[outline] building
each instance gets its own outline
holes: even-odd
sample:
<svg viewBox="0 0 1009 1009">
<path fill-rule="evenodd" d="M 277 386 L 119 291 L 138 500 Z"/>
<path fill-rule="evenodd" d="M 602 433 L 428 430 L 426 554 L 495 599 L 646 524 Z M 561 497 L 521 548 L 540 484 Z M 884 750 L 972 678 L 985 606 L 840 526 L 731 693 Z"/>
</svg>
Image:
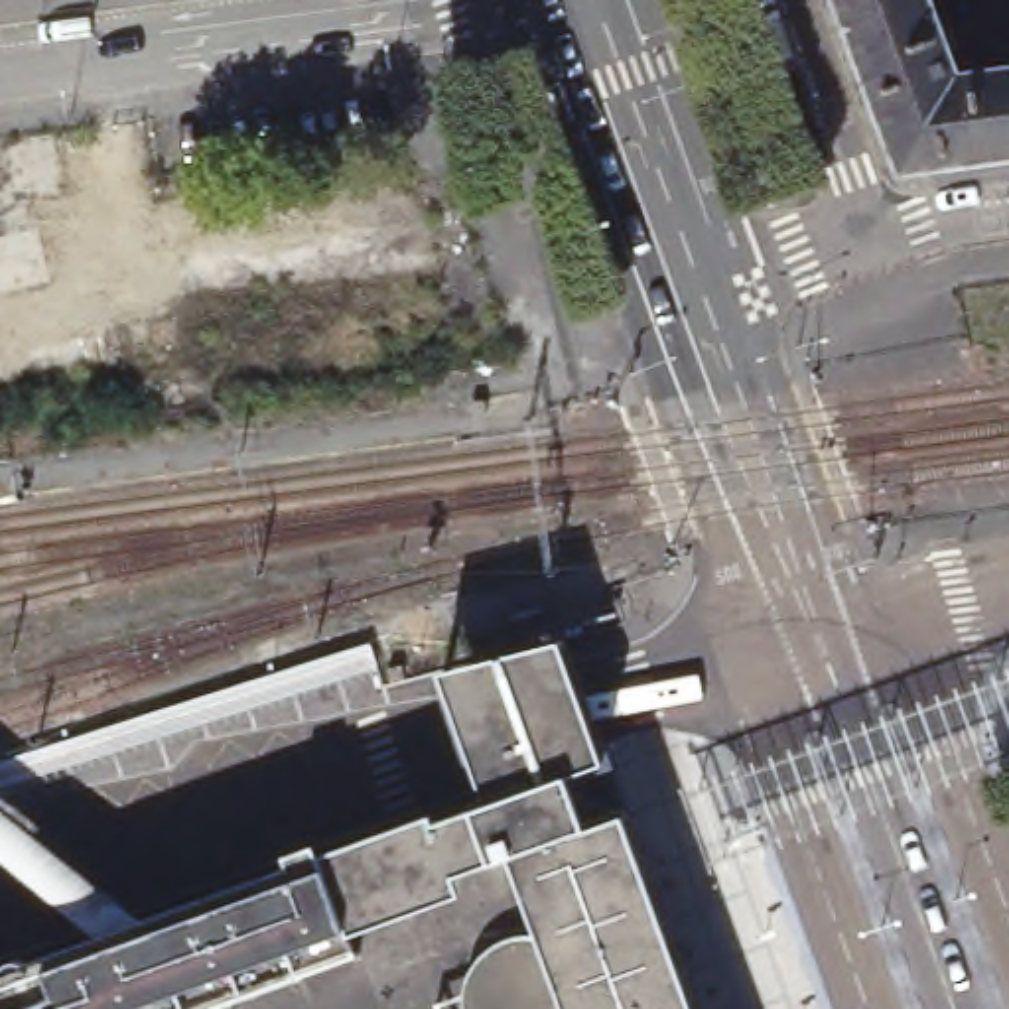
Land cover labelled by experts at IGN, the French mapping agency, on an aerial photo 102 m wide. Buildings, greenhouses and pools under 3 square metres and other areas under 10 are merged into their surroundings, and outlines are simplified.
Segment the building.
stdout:
<svg viewBox="0 0 1009 1009">
<path fill-rule="evenodd" d="M 35 891 L 43 903 L 59 907 L 79 930 L 87 930 L 83 946 L 91 950 L 59 966 L 0 966 L 0 1009 L 690 1009 L 650 891 L 642 883 L 635 847 L 627 840 L 623 820 L 615 820 L 627 796 L 619 796 L 615 780 L 607 776 L 607 761 L 595 749 L 560 646 L 544 642 L 501 654 L 497 662 L 489 658 L 453 670 L 453 706 L 441 713 L 441 721 L 449 729 L 457 765 L 469 780 L 473 808 L 445 820 L 410 820 L 331 851 L 284 851 L 276 867 L 280 887 L 233 899 L 225 907 L 201 910 L 169 926 L 154 926 L 150 918 L 126 914 L 99 887 L 87 887 L 71 867 L 63 867 L 51 851 L 43 851 L 32 836 L 24 836 L 0 816 L 0 867 L 16 875 L 28 891 Z"/>
<path fill-rule="evenodd" d="M 899 177 L 946 162 L 966 166 L 1009 158 L 1009 63 L 958 67 L 938 0 L 836 0 L 859 71 L 871 87 L 871 106 L 883 122 L 891 169 Z"/>
</svg>

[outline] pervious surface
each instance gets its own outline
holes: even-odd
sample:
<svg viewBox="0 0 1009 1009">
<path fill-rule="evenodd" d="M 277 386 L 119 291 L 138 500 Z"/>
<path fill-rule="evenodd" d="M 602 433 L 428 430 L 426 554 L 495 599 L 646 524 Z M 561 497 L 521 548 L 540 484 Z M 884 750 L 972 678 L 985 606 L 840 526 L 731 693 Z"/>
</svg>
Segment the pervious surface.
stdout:
<svg viewBox="0 0 1009 1009">
<path fill-rule="evenodd" d="M 418 315 L 441 315 L 461 303 L 473 303 L 477 311 L 489 300 L 489 292 L 501 288 L 485 256 L 485 236 L 477 221 L 465 221 L 449 201 L 445 150 L 434 122 L 426 122 L 410 138 L 422 173 L 414 177 L 406 197 L 394 189 L 378 189 L 370 201 L 343 201 L 335 193 L 323 209 L 268 213 L 260 233 L 205 233 L 197 217 L 181 205 L 177 185 L 146 181 L 146 166 L 154 158 L 193 162 L 193 138 L 181 114 L 154 114 L 146 106 L 142 126 L 134 134 L 130 126 L 99 130 L 95 114 L 83 114 L 83 122 L 32 122 L 0 130 L 0 410 L 8 402 L 28 402 L 35 394 L 67 394 L 71 378 L 87 378 L 99 402 L 118 402 L 122 394 L 130 398 L 130 434 L 138 441 L 154 430 L 221 422 L 221 402 L 233 386 L 225 386 L 221 378 L 236 367 L 343 367 L 363 367 L 378 359 L 378 327 L 398 331 L 410 327 L 410 319 Z"/>
<path fill-rule="evenodd" d="M 351 646 L 367 646 L 374 654 L 382 678 L 390 678 L 394 670 L 410 678 L 453 670 L 489 658 L 497 662 L 501 654 L 544 642 L 560 646 L 564 639 L 575 639 L 619 666 L 627 658 L 627 635 L 619 623 L 599 623 L 599 615 L 619 603 L 619 595 L 631 583 L 639 583 L 639 575 L 670 572 L 678 556 L 690 556 L 698 544 L 690 536 L 666 540 L 658 528 L 646 528 L 650 497 L 639 481 L 639 465 L 623 426 L 453 453 L 430 453 L 430 445 L 410 445 L 382 453 L 256 465 L 201 473 L 185 481 L 87 489 L 79 497 L 55 501 L 20 493 L 12 508 L 0 508 L 0 761 L 142 713 L 158 713 L 240 682 L 256 682 Z"/>
<path fill-rule="evenodd" d="M 836 418 L 836 430 L 847 441 L 843 457 L 859 477 L 863 512 L 875 524 L 871 556 L 899 564 L 907 556 L 922 556 L 934 548 L 962 548 L 966 540 L 1009 536 L 1009 351 L 981 351 L 962 339 L 954 292 L 938 296 L 903 323 L 875 327 L 871 347 L 824 347 L 824 355 L 812 359 L 812 374 Z"/>
</svg>

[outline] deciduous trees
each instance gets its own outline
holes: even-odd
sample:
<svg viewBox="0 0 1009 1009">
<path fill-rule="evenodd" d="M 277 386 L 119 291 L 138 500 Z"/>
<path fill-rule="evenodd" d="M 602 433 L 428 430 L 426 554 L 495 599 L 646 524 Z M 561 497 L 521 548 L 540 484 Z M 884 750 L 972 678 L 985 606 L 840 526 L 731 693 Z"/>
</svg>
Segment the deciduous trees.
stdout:
<svg viewBox="0 0 1009 1009">
<path fill-rule="evenodd" d="M 130 398 L 122 394 L 118 402 L 99 402 L 87 378 L 71 378 L 67 394 L 35 394 L 28 402 L 8 402 L 0 410 L 0 434 L 39 430 L 55 453 L 79 453 L 95 445 L 122 449 L 138 441 L 130 434 Z"/>
<path fill-rule="evenodd" d="M 205 233 L 260 233 L 268 213 L 323 209 L 335 193 L 343 201 L 370 201 L 378 189 L 394 189 L 406 197 L 414 177 L 422 173 L 410 138 L 351 122 L 327 154 L 292 150 L 288 158 L 276 158 L 264 154 L 264 138 L 225 146 L 225 138 L 193 138 L 193 162 L 154 158 L 146 166 L 146 181 L 177 185 L 181 205 L 197 217 Z"/>
<path fill-rule="evenodd" d="M 725 217 L 745 217 L 769 201 L 808 197 L 828 185 L 828 166 L 816 158 L 804 134 L 804 118 L 796 110 L 773 28 L 757 0 L 666 0 L 666 20 L 682 32 L 674 51 L 686 102 L 706 146 Z"/>
<path fill-rule="evenodd" d="M 997 769 L 997 776 L 981 776 L 981 804 L 989 824 L 1009 828 L 1009 773 Z"/>
<path fill-rule="evenodd" d="M 552 114 L 552 91 L 540 79 L 532 51 L 505 51 L 485 63 L 453 63 L 437 71 L 430 83 L 434 122 L 445 150 L 449 201 L 465 221 L 477 221 L 508 213 L 512 205 L 536 213 L 544 268 L 552 276 L 568 323 L 591 323 L 623 307 L 623 292 L 607 260 L 599 221 L 591 217 L 579 173 L 568 158 L 568 142 Z"/>
<path fill-rule="evenodd" d="M 343 367 L 236 367 L 221 378 L 225 386 L 233 386 L 221 402 L 221 422 L 276 426 L 284 414 L 311 418 L 323 406 L 347 406 L 359 390 L 343 382 Z"/>
</svg>

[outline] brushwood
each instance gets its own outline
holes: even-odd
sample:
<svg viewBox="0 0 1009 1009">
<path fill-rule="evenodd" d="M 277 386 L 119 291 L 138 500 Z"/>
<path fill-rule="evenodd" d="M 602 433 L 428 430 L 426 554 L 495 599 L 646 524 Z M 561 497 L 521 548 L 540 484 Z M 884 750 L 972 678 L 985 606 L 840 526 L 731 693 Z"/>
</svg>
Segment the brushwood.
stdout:
<svg viewBox="0 0 1009 1009">
<path fill-rule="evenodd" d="M 414 398 L 426 386 L 437 386 L 449 370 L 469 370 L 477 363 L 516 367 L 516 359 L 528 347 L 528 335 L 520 323 L 508 319 L 508 300 L 501 288 L 489 292 L 489 300 L 477 311 L 473 303 L 461 303 L 441 315 L 418 315 L 410 319 L 410 327 L 398 331 L 378 327 L 378 359 L 363 367 L 343 367 L 343 382 L 359 390 L 374 386 L 398 398 Z"/>
</svg>

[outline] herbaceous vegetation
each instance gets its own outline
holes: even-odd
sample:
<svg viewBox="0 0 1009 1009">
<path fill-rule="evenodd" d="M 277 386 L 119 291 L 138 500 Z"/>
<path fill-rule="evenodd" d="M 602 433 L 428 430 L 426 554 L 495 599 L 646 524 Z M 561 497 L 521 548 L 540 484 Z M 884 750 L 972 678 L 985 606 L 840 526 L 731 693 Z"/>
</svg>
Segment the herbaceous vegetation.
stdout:
<svg viewBox="0 0 1009 1009">
<path fill-rule="evenodd" d="M 962 339 L 981 351 L 1009 351 L 1009 276 L 958 284 L 954 292 Z"/>
</svg>

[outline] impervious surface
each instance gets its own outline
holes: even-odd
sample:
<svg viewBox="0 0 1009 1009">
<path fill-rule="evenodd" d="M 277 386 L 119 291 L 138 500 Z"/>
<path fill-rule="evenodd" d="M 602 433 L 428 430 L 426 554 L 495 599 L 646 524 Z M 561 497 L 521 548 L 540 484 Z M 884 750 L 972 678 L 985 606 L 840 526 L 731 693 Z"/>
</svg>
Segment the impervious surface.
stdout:
<svg viewBox="0 0 1009 1009">
<path fill-rule="evenodd" d="M 1009 0 L 938 0 L 958 67 L 1009 63 Z"/>
<path fill-rule="evenodd" d="M 83 946 L 87 930 L 79 930 L 59 907 L 43 903 L 35 891 L 28 891 L 16 875 L 0 867 L 0 966 L 59 966 L 91 950 Z"/>
<path fill-rule="evenodd" d="M 284 851 L 331 851 L 410 820 L 445 820 L 473 808 L 469 780 L 457 765 L 449 729 L 441 721 L 441 713 L 453 706 L 453 670 L 410 678 L 394 670 L 390 678 L 382 678 L 374 654 L 367 646 L 351 646 L 256 682 L 240 682 L 158 713 L 142 713 L 0 761 L 0 816 L 24 836 L 32 836 L 43 851 L 51 851 L 63 867 L 71 867 L 87 887 L 99 887 L 126 914 L 150 918 L 154 926 L 169 926 L 201 910 L 225 907 L 233 899 L 280 887 L 276 867 Z"/>
<path fill-rule="evenodd" d="M 122 449 L 95 445 L 79 453 L 55 453 L 39 430 L 0 434 L 0 508 L 12 508 L 20 493 L 55 501 L 79 497 L 87 489 L 185 481 L 201 473 L 256 465 L 382 453 L 410 445 L 430 445 L 430 453 L 453 453 L 623 426 L 639 465 L 639 481 L 650 497 L 646 528 L 658 528 L 666 540 L 690 536 L 698 544 L 690 556 L 678 556 L 670 572 L 639 575 L 639 583 L 631 583 L 619 595 L 619 603 L 599 615 L 599 623 L 619 623 L 627 635 L 627 658 L 619 666 L 575 639 L 564 639 L 560 646 L 595 749 L 607 761 L 607 776 L 615 780 L 619 796 L 627 796 L 615 820 L 623 820 L 627 840 L 635 847 L 642 883 L 650 891 L 690 1009 L 1009 1009 L 1009 828 L 989 824 L 981 804 L 981 776 L 997 776 L 997 769 L 1009 773 L 1009 536 L 966 540 L 962 548 L 934 548 L 922 556 L 907 556 L 899 564 L 871 556 L 875 524 L 863 512 L 859 477 L 843 457 L 847 441 L 836 430 L 836 418 L 812 374 L 812 359 L 824 355 L 824 347 L 871 347 L 875 327 L 903 323 L 938 296 L 954 292 L 958 284 L 1009 276 L 1009 158 L 966 166 L 946 162 L 899 177 L 891 169 L 883 122 L 871 106 L 871 87 L 859 71 L 836 0 L 757 0 L 773 28 L 796 110 L 804 118 L 804 134 L 816 158 L 828 166 L 828 185 L 808 197 L 769 201 L 745 217 L 725 217 L 706 146 L 686 102 L 674 51 L 682 32 L 666 20 L 666 0 L 0 0 L 0 130 L 32 122 L 83 122 L 83 114 L 95 114 L 99 130 L 130 126 L 134 134 L 142 126 L 146 106 L 154 114 L 181 114 L 193 138 L 225 138 L 225 146 L 264 138 L 264 154 L 276 158 L 288 158 L 292 150 L 327 154 L 351 122 L 410 138 L 426 122 L 434 122 L 430 83 L 437 71 L 453 63 L 485 63 L 505 51 L 532 51 L 540 79 L 552 91 L 552 114 L 568 142 L 568 158 L 579 173 L 591 217 L 599 221 L 607 260 L 623 292 L 623 307 L 591 323 L 568 323 L 552 276 L 544 268 L 536 213 L 512 205 L 508 213 L 477 221 L 485 236 L 485 256 L 501 288 L 508 300 L 508 319 L 520 323 L 528 335 L 528 347 L 516 359 L 516 367 L 477 363 L 469 370 L 449 370 L 437 386 L 426 386 L 414 398 L 398 398 L 374 386 L 359 390 L 347 406 L 323 406 L 311 418 L 284 414 L 276 426 L 221 422 L 154 430 L 138 441 Z"/>
</svg>

